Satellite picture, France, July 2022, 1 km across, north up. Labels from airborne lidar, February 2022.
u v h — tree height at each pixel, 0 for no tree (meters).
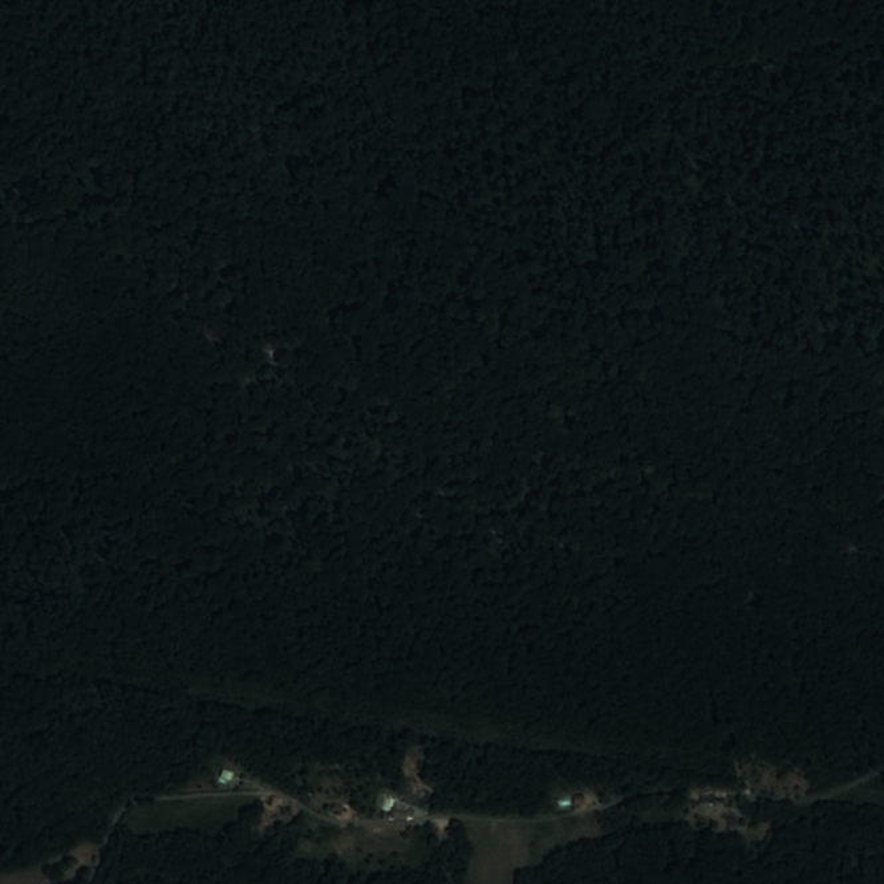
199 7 24
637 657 28
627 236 27
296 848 10
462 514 24
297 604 25
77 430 28
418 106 27
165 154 29
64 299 24
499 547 17
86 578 31
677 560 22
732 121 26
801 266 29
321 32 27
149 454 30
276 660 30
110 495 32
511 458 25
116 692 30
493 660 28
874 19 25
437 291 29
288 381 20
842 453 31
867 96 25
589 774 24
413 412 26
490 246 33
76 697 34
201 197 26
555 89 19
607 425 24
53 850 15
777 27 28
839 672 22
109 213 26
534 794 23
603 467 23
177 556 18
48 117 28
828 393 31
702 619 26
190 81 28
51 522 22
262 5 17
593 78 22
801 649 16
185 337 24
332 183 33
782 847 25
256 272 25
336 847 0
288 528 28
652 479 24
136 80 25
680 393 30
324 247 32
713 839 23
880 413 34
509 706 29
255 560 21
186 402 25
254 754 14
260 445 22
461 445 25
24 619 15
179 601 28
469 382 30
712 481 26
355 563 25
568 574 23
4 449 30
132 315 27
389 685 28
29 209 24
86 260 28
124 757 24
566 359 28
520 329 27
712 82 29
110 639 26
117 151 29
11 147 26
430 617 23
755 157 27
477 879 0
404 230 24
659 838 23
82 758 21
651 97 25
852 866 24
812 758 20
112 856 18
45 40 22
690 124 30
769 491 27
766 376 30
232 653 28
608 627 23
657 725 27
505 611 25
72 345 24
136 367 25
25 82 31
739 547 25
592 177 18
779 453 31
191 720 22
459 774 20
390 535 15
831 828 19
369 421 16
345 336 25
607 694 27
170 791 18
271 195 26
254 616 26
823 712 24
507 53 26
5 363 26
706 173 32
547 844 0
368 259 25
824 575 26
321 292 33
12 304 21
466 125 24
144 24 28
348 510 21
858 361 34
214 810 0
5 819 27
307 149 25
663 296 30
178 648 27
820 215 28
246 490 23
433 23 29
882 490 33
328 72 24
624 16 28
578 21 27
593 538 26
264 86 30
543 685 28
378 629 26
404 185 33
